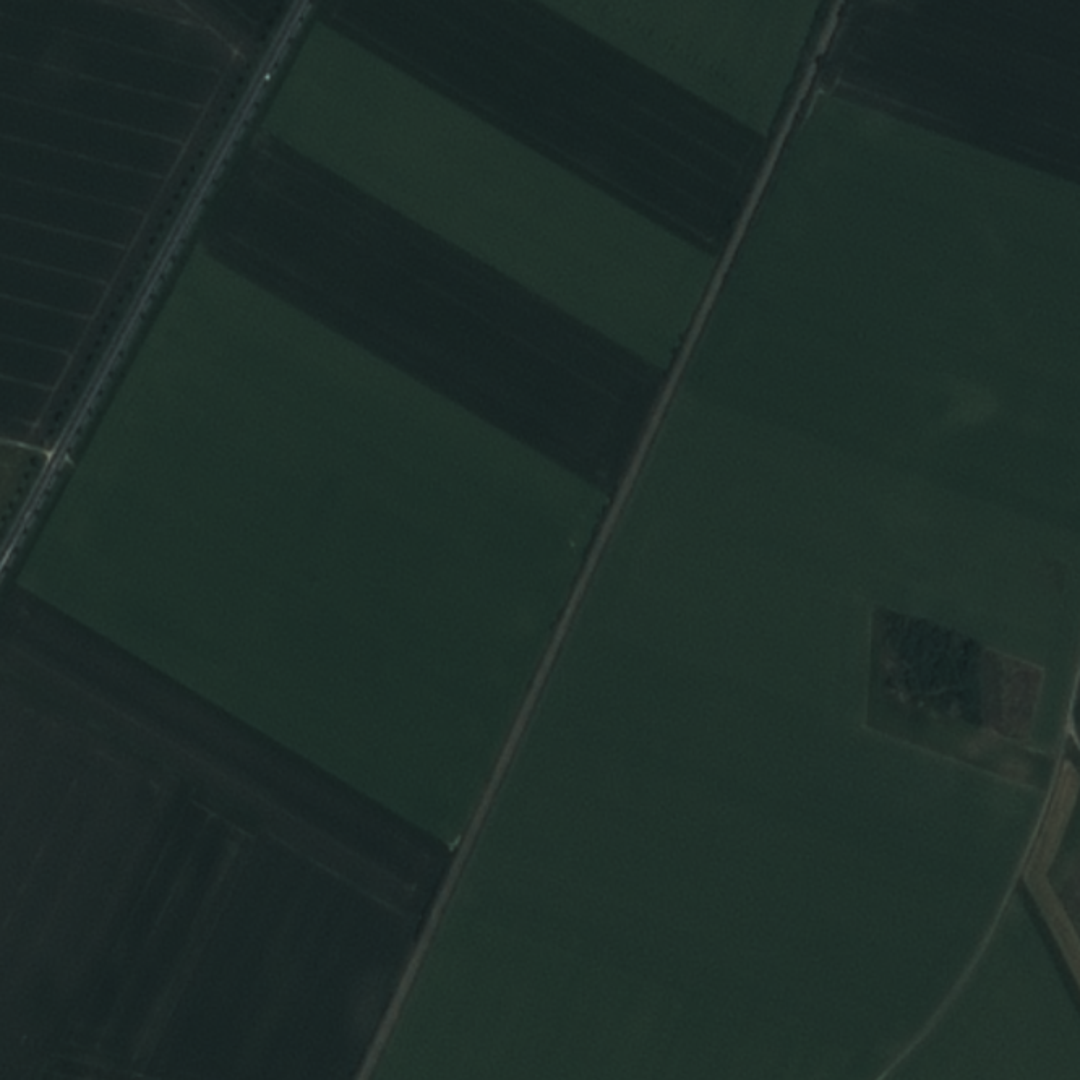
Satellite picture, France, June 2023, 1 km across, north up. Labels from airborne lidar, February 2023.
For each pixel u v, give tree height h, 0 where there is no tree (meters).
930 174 0
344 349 0
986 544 0
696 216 0
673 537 0
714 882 0
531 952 0
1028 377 0
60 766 0
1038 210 0
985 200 0
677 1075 0
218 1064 0
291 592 0
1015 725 0
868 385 0
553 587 0
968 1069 0
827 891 0
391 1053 0
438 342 0
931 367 0
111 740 0
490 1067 0
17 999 0
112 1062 0
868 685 0
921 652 6
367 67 0
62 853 0
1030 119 0
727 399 0
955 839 0
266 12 0
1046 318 0
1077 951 0
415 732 0
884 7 0
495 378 0
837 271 0
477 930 0
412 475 0
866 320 0
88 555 0
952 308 0
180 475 0
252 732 0
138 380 0
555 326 0
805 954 0
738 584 0
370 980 0
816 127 0
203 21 0
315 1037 0
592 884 0
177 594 0
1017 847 0
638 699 0
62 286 0
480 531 0
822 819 0
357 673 0
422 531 0
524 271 0
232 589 0
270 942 0
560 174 0
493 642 0
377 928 0
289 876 0
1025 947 0
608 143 0
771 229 0
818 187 0
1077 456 0
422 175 0
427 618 0
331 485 0
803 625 0
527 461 0
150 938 0
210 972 0
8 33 0
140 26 0
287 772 0
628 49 0
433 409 0
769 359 0
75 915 0
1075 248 0
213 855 0
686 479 0
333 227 0
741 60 0
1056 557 0
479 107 0
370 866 0
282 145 0
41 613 0
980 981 0
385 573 0
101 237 0
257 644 0
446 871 6
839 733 0
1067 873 0
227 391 0
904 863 0
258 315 0
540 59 0
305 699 0
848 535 0
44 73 0
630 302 0
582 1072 0
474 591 0
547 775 0
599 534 7
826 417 0
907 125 0
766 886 0
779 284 0
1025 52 0
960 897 0
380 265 0
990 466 0
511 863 0
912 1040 0
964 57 0
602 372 0
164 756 0
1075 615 0
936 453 0
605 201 0
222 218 0
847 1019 0
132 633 0
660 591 0
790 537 0
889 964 0
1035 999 0
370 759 0
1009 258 0
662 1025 0
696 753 0
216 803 0
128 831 0
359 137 0
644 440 0
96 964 0
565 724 0
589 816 0
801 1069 0
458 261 0
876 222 0
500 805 0
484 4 0
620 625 0
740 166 0
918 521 0
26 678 0
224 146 0
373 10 0
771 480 0
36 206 0
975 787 0
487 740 0
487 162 0
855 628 0
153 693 0
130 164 0
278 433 0
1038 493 0
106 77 0
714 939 0
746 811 0
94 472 0
